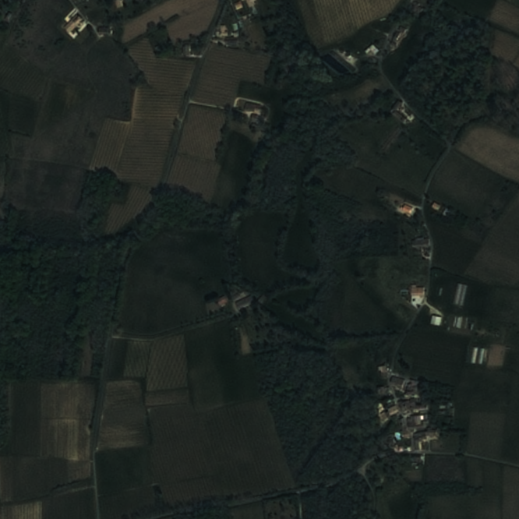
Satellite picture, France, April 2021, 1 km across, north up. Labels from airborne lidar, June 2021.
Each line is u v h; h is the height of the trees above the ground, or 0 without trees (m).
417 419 0
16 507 0
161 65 0
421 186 0
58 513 0
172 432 0
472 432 0
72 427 0
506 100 19
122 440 0
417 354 0
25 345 14
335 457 19
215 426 0
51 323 7
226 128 11
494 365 0
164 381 0
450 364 0
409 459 10
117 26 15
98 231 16
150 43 0
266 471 0
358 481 17
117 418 0
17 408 0
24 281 12
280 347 13
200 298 0
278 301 7
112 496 0
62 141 0
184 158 0
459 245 0
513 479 0
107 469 0
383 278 0
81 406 0
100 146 0
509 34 0
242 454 0
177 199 27
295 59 18
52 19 0
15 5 13
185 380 0
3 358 19
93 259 22
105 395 0
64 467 0
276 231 0
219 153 13
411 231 0
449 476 0
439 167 0
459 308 0
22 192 0
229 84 0
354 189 0
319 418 16
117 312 16
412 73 20
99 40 0
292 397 13
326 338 9
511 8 0
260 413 0
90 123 0
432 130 6
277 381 13
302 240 0
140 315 0
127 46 0
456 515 0
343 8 0
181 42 13
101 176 15
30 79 0
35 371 9
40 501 0
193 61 0
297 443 6
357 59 0
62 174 0
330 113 17
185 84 0
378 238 7
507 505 0
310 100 17
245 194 14
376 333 8
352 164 15
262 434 0
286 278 0
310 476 18
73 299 7
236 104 0
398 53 0
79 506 0
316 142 11
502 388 0
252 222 0
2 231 18
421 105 12
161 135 0
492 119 11
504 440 0
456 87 10
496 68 16
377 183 0
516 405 0
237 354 6
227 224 21
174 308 0
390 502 0
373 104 21
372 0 0
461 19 0
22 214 7
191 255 0
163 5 0
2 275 26
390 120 12
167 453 0
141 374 0
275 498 6
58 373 9
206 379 0
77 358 15
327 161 19
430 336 0
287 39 17
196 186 0
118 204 0
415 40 0
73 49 0
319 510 18
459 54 23
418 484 7
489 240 0
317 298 14
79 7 0
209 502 17
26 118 0
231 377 0
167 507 15
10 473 0
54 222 6
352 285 0
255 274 0
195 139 0
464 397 0
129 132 0
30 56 0
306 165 0
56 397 0
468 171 0
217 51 0
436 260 0
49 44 0
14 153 0
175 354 0
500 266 0
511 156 0
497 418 0
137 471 0
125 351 0
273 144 16
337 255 12
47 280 24
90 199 18
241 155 0
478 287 0
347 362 0
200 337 0
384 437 15
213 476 0
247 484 0
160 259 0
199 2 0
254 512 0
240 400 0
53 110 0
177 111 0
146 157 0
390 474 13
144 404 0
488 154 0
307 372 23
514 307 0
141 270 0
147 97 0
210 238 0
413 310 0
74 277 9
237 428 0
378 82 0
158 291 0
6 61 0
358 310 0
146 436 0
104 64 0
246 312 14
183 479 0
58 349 8
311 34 0
